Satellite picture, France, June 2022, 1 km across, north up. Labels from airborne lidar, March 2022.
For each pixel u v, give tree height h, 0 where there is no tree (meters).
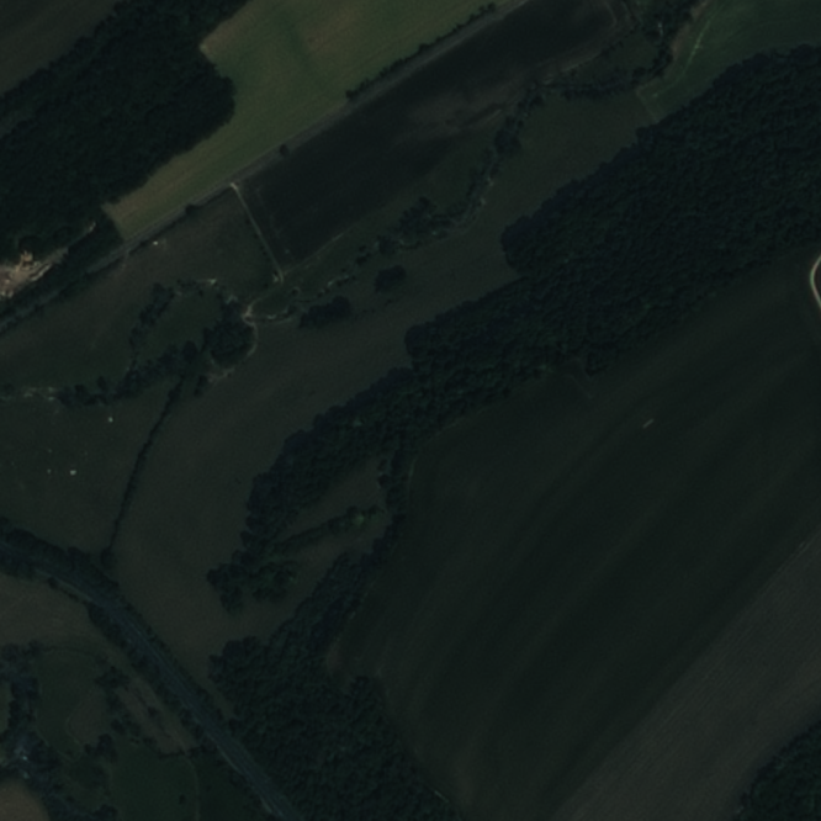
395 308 0
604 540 0
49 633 0
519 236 23
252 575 18
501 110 0
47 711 0
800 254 0
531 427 0
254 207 0
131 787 0
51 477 0
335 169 0
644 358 0
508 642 0
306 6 0
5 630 0
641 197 24
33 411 0
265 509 24
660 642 0
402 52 0
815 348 0
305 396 0
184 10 26
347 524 6
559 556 0
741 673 0
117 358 0
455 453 0
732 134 17
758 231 21
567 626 0
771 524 0
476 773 0
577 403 0
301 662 10
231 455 0
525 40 0
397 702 0
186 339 0
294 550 6
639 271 24
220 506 0
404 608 0
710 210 22
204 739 20
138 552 0
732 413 0
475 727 0
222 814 0
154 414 0
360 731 14
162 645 15
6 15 0
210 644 0
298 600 0
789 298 0
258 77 0
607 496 0
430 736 0
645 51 0
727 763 0
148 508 0
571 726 0
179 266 0
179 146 16
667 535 0
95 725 0
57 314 0
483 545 0
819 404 0
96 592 0
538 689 0
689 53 0
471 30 0
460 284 0
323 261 0
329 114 0
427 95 0
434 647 0
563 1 0
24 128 13
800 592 0
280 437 0
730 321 0
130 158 18
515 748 0
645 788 0
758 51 0
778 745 0
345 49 0
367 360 0
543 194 0
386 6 0
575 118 0
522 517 0
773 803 9
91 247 15
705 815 0
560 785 0
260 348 0
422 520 0
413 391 15
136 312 0
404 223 16
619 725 0
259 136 0
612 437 0
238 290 0
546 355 23
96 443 0
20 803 0
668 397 0
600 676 0
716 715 0
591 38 0
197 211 11
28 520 0
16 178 17
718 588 0
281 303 0
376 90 0
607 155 0
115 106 19
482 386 20
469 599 0
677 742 0
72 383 0
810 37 0
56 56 0
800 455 0
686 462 0
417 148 0
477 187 23
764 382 0
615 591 0
